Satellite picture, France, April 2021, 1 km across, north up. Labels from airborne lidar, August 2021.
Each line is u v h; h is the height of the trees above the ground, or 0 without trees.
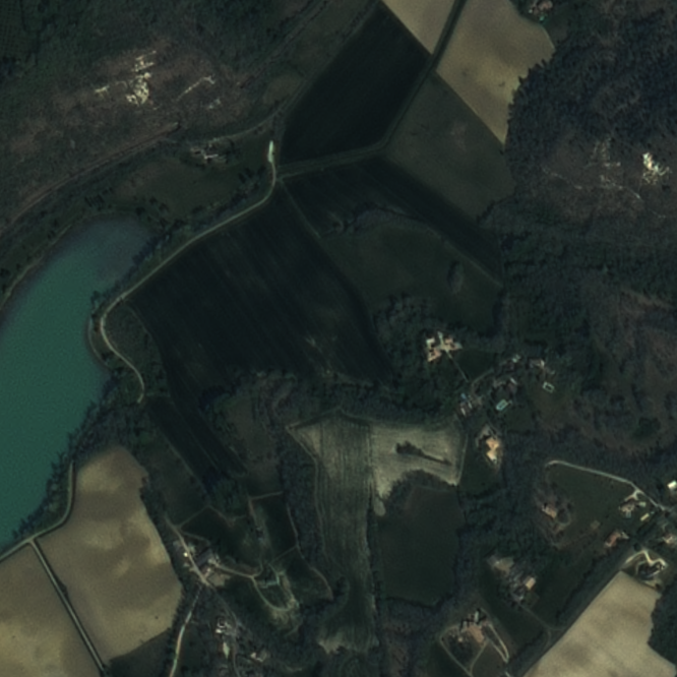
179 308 0
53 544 0
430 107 0
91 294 0
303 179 0
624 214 10
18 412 0
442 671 0
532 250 11
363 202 0
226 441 13
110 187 12
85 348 0
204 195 0
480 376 0
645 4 7
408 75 0
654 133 7
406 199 0
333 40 0
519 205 19
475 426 17
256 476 0
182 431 0
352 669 0
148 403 0
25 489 0
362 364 0
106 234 0
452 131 0
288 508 16
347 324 0
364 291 0
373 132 0
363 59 0
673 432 0
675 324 19
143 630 0
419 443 0
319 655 14
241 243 0
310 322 0
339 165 0
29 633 0
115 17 6
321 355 0
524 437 14
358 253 0
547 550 9
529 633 0
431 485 10
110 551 0
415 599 0
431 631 16
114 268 0
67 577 0
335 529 0
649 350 9
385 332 10
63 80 10
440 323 13
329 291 0
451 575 0
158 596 0
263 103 15
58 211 16
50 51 19
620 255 20
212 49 7
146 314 0
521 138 8
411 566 0
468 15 0
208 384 0
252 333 0
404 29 0
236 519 0
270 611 0
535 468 13
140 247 0
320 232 0
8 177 14
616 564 18
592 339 9
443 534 0
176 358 0
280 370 0
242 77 11
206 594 15
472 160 0
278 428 17
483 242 0
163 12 13
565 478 0
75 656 0
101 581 0
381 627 14
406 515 0
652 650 10
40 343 0
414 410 14
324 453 0
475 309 0
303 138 0
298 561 0
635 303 8
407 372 19
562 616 13
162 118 7
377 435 0
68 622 0
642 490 12
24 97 18
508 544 11
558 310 27
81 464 7
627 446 0
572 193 6
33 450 0
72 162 20
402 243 0
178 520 0
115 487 0
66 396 0
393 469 0
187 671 11
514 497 18
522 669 16
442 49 0
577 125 6
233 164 9
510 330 16
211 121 8
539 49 0
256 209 0
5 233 16
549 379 6
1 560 0
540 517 15
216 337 0
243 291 0
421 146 0
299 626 0
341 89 0
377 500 0
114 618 0
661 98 11
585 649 0
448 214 0
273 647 14
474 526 10
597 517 0
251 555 0
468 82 0
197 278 0
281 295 0
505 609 0
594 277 24
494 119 0
